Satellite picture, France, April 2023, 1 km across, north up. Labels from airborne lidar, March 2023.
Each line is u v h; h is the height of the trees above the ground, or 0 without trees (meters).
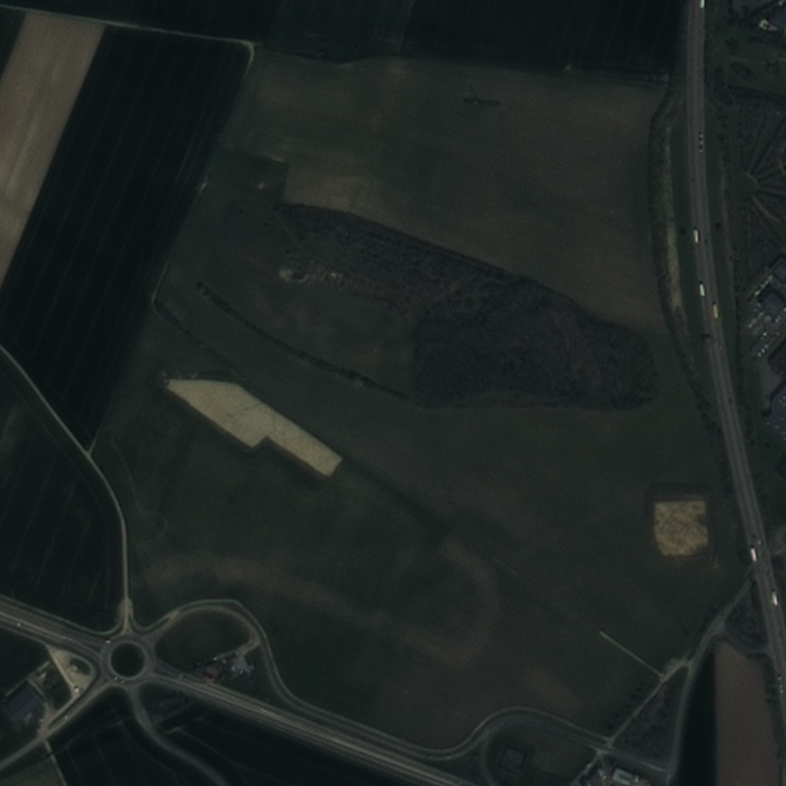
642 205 0
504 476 0
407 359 0
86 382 0
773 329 0
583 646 0
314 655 0
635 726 12
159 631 0
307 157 0
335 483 0
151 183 0
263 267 0
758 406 0
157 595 0
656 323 0
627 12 0
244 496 0
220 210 0
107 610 0
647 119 0
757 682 0
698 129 0
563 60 0
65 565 0
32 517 0
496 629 0
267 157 0
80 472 0
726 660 0
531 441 0
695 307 0
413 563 0
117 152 0
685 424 0
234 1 0
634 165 0
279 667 0
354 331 0
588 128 0
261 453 0
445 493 0
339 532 0
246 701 0
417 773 0
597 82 0
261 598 0
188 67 0
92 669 0
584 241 0
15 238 0
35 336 0
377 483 0
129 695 0
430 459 0
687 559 0
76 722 0
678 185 0
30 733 0
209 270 0
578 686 0
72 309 0
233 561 0
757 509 0
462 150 0
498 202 0
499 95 0
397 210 0
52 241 0
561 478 0
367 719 0
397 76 0
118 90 0
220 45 0
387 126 0
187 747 0
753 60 0
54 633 0
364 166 0
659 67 0
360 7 0
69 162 0
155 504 0
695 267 0
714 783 0
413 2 0
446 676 0
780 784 0
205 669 0
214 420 0
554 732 0
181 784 0
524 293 15
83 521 0
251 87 0
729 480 8
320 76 0
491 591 0
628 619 0
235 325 0
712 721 0
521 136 0
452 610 0
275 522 0
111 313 0
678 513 0
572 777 0
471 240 0
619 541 0
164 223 0
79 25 0
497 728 0
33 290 0
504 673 0
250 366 0
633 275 0
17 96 0
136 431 0
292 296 0
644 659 0
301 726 0
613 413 0
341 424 0
